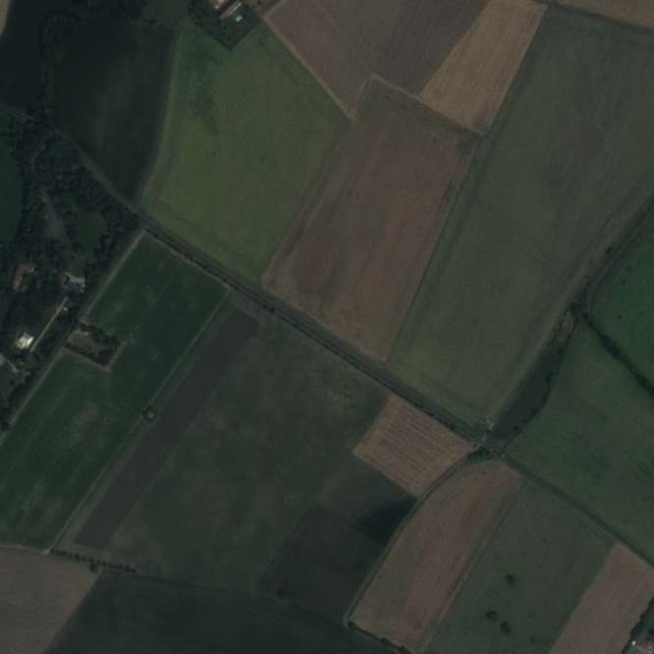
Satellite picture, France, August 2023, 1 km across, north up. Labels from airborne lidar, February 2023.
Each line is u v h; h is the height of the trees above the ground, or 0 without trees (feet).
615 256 0
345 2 0
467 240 0
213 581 0
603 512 0
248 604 0
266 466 0
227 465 0
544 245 0
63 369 0
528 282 0
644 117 0
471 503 0
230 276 0
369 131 0
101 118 0
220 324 0
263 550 0
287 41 0
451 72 0
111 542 0
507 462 0
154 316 0
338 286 0
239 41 0
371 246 0
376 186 0
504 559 0
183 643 0
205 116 0
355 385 0
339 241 0
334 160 0
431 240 0
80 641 0
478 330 0
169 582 0
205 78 0
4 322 0
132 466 0
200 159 0
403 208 0
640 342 0
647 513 0
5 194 0
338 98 0
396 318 0
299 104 0
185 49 0
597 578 0
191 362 0
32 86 0
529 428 0
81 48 0
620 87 0
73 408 0
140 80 0
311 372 0
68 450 0
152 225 0
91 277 59
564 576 0
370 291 0
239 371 0
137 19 72
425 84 0
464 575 0
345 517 0
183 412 0
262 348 0
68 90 0
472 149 0
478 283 0
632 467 0
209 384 0
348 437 0
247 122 0
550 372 0
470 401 0
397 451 0
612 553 0
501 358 0
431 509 0
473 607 0
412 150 0
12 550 0
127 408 0
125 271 0
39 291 69
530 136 0
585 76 0
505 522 0
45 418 0
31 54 0
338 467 0
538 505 0
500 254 0
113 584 0
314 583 0
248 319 0
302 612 0
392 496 0
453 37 0
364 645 0
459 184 0
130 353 0
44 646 0
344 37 0
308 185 0
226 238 0
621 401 0
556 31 0
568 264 0
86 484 0
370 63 0
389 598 0
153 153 0
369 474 0
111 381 0
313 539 0
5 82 0
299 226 0
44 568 0
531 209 0
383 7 0
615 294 0
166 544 0
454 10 0
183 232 0
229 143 0
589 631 0
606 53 0
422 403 0
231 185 0
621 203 0
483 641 0
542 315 0
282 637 0
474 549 0
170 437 0
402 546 0
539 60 0
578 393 0
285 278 0
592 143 0
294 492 0
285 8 0
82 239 0
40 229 92
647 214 0
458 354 0
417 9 0
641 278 0
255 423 0
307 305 0
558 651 0
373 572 0
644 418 0
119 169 0
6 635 0
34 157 106
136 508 0
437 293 0
